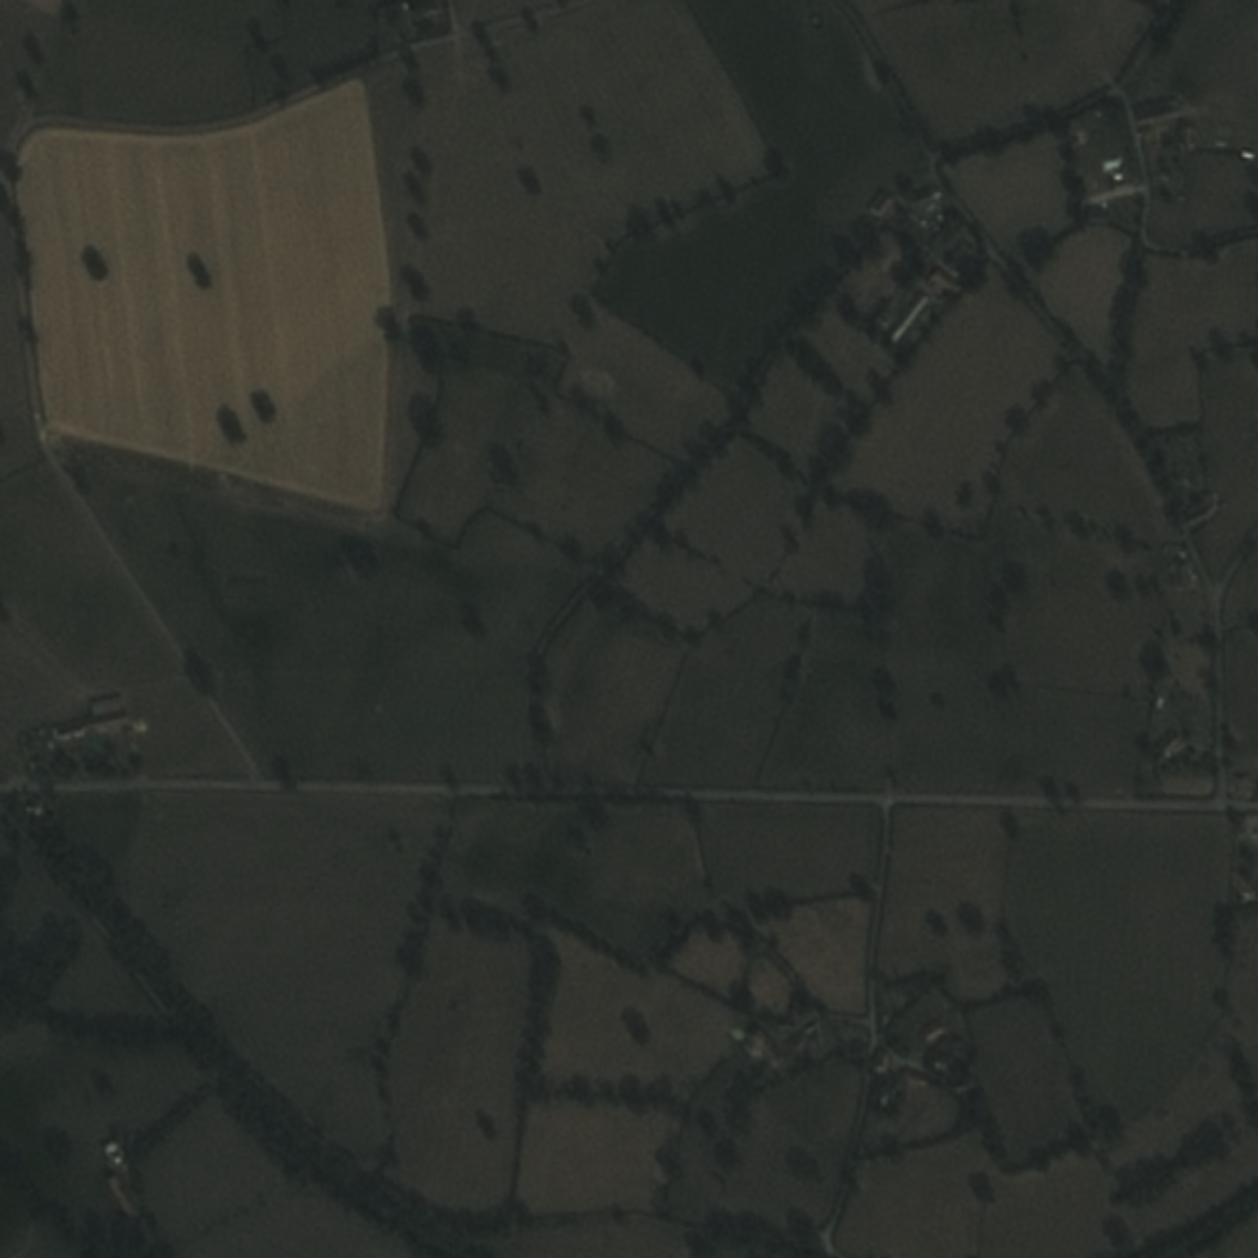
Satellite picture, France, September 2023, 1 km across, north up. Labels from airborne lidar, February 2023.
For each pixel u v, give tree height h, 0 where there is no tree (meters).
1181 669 0
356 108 0
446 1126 0
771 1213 0
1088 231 0
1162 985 0
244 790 0
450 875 0
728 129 0
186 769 0
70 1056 0
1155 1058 0
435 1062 0
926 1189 0
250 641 0
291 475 0
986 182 0
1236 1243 0
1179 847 0
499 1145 0
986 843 0
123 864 0
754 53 0
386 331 14
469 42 0
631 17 0
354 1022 0
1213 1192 0
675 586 0
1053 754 0
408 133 0
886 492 0
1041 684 0
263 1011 0
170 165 0
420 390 0
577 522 0
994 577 0
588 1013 0
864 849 0
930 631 0
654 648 0
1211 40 0
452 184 0
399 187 0
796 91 0
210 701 0
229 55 0
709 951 0
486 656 0
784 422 0
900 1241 0
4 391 0
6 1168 21
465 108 0
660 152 0
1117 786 0
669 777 0
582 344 0
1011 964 14
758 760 0
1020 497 0
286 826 0
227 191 0
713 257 0
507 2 0
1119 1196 7
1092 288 0
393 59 0
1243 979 0
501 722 0
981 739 0
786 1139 0
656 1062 0
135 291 0
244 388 0
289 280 0
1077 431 0
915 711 0
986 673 0
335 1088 0
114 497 0
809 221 0
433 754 0
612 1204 0
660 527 14
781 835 0
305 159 0
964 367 0
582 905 0
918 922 0
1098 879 0
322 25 0
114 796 0
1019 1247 0
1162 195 7
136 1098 0
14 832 11
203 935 0
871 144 0
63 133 0
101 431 0
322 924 0
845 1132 0
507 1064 0
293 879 0
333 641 0
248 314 0
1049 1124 0
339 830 0
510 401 0
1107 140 0
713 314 0
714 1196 0
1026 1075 0
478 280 0
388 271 0
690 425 0
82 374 0
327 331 0
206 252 0
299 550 0
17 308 0
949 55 0
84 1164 0
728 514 0
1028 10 0
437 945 0
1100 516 0
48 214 0
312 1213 0
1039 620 0
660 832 0
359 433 0
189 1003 7
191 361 0
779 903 16
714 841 0
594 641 0
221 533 0
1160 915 0
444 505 0
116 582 0
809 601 16
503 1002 0
